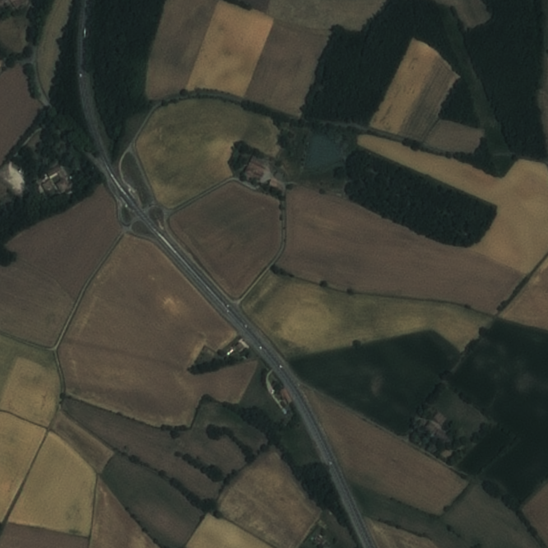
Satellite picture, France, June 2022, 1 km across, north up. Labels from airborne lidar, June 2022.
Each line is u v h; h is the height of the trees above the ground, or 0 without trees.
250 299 0
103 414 0
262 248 0
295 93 0
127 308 0
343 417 0
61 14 0
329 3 0
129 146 0
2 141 0
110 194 0
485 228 13
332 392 0
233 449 0
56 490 0
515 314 0
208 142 0
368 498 0
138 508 0
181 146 0
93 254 0
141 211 0
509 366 0
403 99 0
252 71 0
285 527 0
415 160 0
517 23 16
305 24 0
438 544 0
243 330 0
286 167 0
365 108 18
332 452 0
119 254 0
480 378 0
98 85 11
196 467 10
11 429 0
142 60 11
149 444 0
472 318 0
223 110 0
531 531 11
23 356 0
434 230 19
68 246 0
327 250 0
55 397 0
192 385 0
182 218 0
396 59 13
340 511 10
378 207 19
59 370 0
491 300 0
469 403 12
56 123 27
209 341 0
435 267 0
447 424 7
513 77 16
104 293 0
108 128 11
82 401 6
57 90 19
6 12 13
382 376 0
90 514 0
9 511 0
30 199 26
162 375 0
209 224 0
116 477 0
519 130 19
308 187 0
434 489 0
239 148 16
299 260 0
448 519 0
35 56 0
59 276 0
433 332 0
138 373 0
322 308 0
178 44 0
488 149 14
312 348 0
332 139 21
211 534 0
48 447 0
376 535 0
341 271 0
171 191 0
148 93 0
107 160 0
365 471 0
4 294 0
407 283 0
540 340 0
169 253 0
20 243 0
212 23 0
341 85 15
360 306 0
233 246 0
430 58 0
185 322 0
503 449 12
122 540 0
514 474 0
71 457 0
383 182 20
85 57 15
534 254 0
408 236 0
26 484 0
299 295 0
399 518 0
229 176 0
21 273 0
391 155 0
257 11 0
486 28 12
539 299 0
